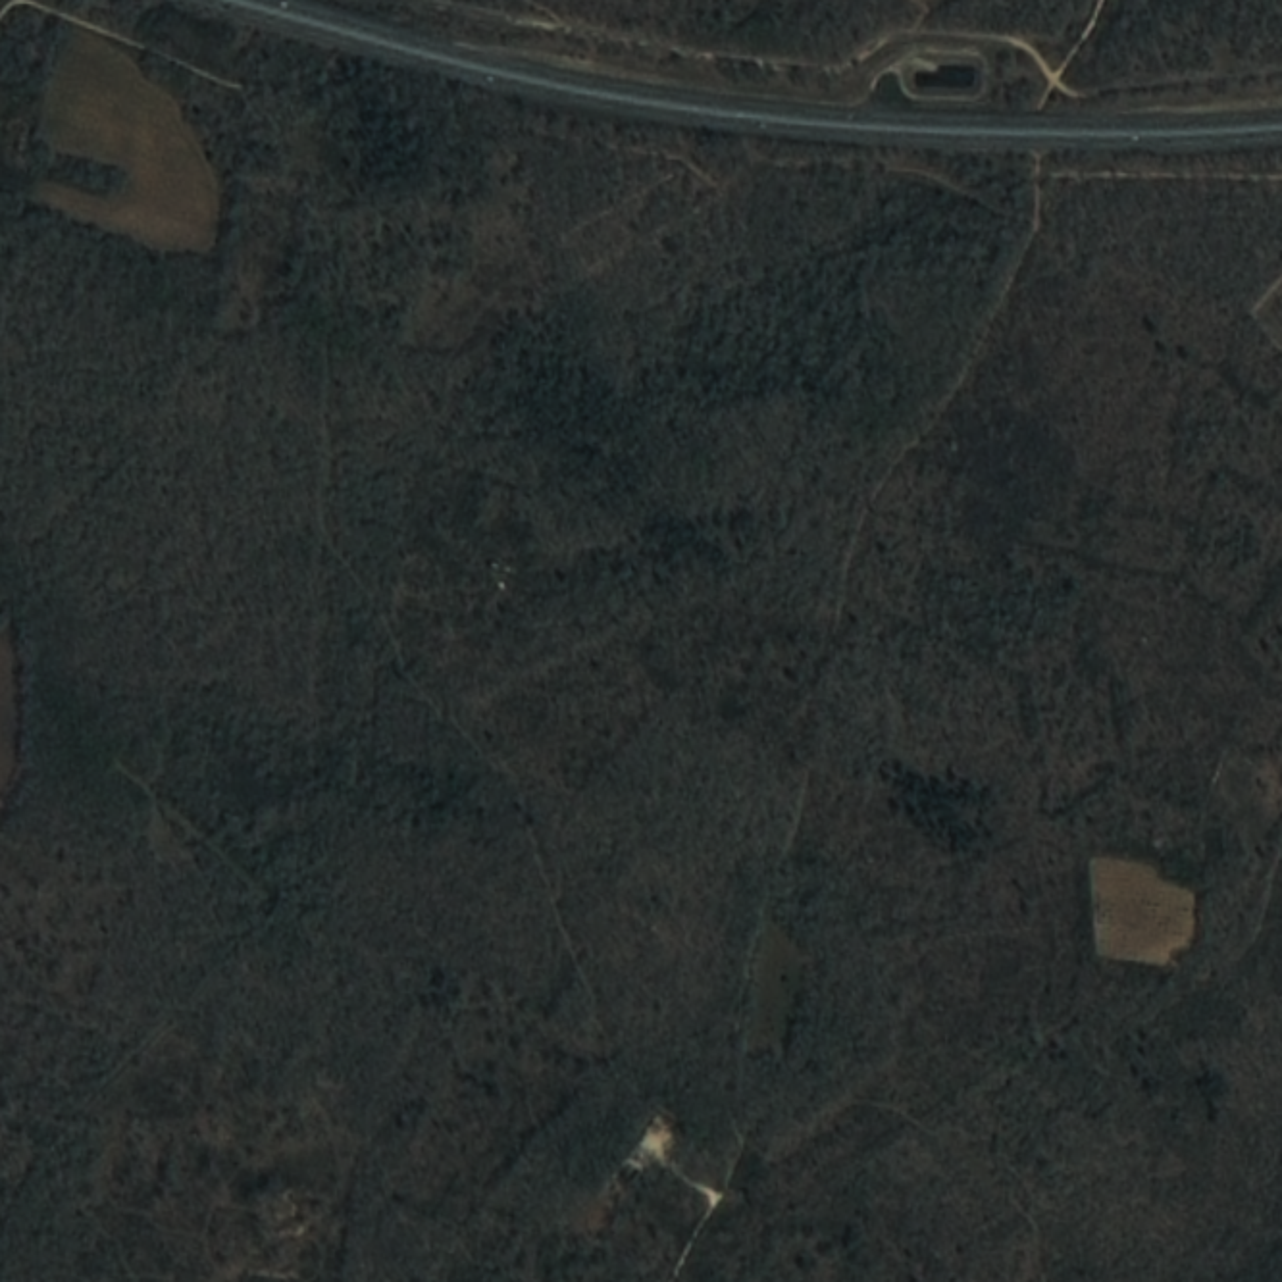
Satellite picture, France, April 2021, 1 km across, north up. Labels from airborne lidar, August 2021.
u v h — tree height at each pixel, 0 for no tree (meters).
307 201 9
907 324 13
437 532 16
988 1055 7
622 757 13
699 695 11
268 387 14
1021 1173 8
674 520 15
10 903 17
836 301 11
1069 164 8
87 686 14
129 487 8
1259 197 9
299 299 14
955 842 12
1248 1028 12
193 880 15
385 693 8
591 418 16
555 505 19
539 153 13
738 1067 14
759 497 9
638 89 0
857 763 9
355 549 10
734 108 0
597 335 15
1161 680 7
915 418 13
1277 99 0
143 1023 10
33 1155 6
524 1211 13
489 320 0
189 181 0
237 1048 12
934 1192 9
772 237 11
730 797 10
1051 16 8
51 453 10
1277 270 10
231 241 19
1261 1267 16
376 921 7
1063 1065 9
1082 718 11
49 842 9
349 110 15
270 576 14
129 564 8
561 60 0
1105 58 8
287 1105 16
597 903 12
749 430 14
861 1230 8
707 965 13
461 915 9
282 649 10
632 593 11
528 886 11
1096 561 5
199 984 14
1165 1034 9
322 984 13
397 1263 14
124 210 0
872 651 10
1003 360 11
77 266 11
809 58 15
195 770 8
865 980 13
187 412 13
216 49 0
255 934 16
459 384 14
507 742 10
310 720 9
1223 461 6
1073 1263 8
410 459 8
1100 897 0
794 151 12
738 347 9
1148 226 9
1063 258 9
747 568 8
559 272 17
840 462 11
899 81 0
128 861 12
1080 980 10
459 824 11
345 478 9
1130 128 0
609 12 11
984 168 10
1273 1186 7
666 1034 7
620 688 9
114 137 0
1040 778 7
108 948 10
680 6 6
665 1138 0
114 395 9
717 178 9
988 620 6
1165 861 5
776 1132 13
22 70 11
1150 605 8
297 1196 14
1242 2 9
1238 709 10
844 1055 9
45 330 9
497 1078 14
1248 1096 10
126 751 15
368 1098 12
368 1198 11
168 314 17
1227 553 12
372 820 9
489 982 9
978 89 0
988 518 6
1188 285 12
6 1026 8
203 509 9
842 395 11
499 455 19
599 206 11
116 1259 7
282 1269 14
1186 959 14
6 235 14
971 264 9
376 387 15
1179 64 8
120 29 10
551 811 8
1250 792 0
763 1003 0
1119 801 6
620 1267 14
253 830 10
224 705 8
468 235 9
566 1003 15
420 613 8
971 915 8
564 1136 16
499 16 0
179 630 11
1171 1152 7
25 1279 8
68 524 9
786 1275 6
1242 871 8
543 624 10
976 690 9
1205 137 0
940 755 8
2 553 15
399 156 16
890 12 9
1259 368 8
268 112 13
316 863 12
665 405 14
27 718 16
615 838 8
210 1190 15
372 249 6
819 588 8
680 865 9
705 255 12
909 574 8
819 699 16
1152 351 11
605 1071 14
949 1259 7
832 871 9
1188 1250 9
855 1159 6
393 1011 9
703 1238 12
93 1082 7
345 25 0
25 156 6
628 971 9
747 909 16
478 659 7
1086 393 10
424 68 0
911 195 6
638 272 12
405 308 10
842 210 14
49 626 15
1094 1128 8
